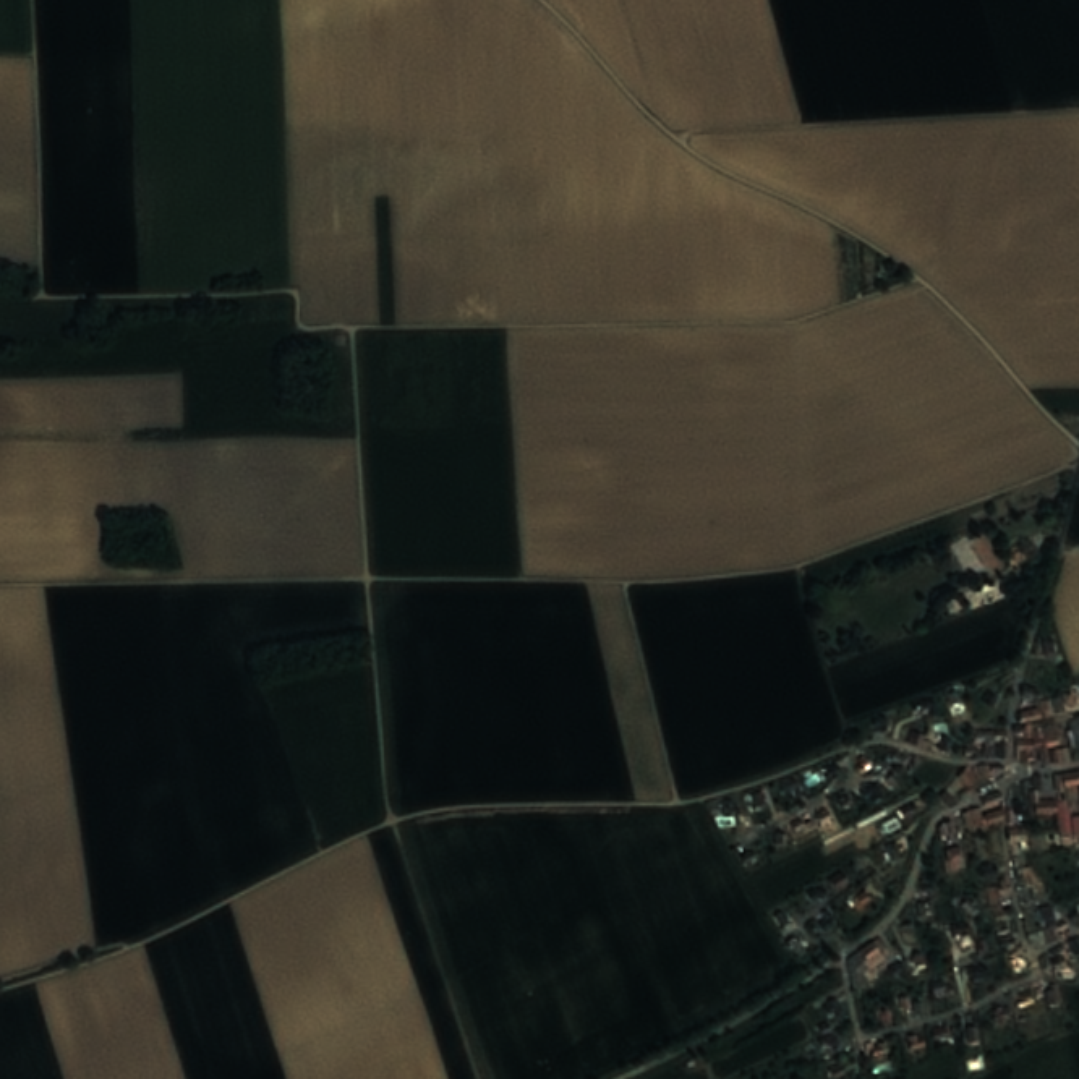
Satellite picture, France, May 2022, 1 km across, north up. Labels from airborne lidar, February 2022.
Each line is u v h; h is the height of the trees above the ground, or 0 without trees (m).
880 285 8
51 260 0
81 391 0
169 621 0
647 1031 0
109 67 0
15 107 0
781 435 0
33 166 0
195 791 0
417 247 0
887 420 0
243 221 0
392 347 0
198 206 0
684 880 0
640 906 0
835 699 0
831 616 0
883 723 0
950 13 0
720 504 0
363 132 0
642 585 0
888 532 0
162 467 0
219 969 0
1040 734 0
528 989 0
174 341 0
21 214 0
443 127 0
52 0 0
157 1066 0
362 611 0
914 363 0
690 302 0
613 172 0
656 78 0
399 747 0
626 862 0
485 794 0
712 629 0
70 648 0
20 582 0
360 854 0
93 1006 0
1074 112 0
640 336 0
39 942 0
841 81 0
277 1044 0
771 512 0
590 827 0
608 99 0
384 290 0
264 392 0
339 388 0
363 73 0
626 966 0
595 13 0
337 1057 0
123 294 0
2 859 0
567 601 0
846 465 0
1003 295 0
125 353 0
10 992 0
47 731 0
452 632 0
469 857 0
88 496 0
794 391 0
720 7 0
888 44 0
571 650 0
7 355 14
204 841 0
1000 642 0
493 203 0
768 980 0
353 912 0
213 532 0
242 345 0
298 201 0
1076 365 0
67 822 0
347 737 0
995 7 0
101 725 0
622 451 0
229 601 0
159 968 0
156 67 0
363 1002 0
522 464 0
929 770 0
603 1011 0
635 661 0
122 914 0
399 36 0
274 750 0
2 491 0
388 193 0
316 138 0
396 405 0
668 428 0
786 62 0
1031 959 0
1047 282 0
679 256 0
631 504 0
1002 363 0
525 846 0
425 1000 0
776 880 0
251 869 0
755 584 0
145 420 0
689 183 0
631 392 0
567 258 0
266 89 0
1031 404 0
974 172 0
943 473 0
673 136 0
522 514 0
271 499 0
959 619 0
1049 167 0
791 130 0
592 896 0
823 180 0
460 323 0
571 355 0
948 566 14
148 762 0
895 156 0
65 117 0
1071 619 0
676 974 0
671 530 0
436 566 0
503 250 0
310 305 0
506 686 0
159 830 0
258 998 0
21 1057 0
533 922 0
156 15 0
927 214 0
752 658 0
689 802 0
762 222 0
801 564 0
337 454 0
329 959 0
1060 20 0
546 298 0
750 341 0
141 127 0
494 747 0
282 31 0
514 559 0
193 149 0
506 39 0
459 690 0
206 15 0
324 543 0
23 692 0
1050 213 0
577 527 0
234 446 0
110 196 0
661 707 0
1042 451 0
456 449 0
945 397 0
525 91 0
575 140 0
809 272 0
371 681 0
